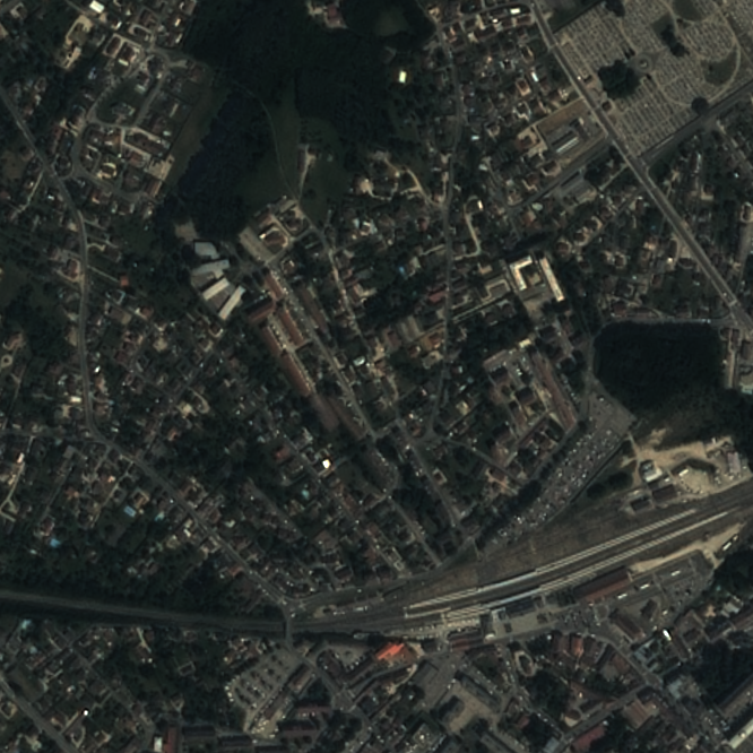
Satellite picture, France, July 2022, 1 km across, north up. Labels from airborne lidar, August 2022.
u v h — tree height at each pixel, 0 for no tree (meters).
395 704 8
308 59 16
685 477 0
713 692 15
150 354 6
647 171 0
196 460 29
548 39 0
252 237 0
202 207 22
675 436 0
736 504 0
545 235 14
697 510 0
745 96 0
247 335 7
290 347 0
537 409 10
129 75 0
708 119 0
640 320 0
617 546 0
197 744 0
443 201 0
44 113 12
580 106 0
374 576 0
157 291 6
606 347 13
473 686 0
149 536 6
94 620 0
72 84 10
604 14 0
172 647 10
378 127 22
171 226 18
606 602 0
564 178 0
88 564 8
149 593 7
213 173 30
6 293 0
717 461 0
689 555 0
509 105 0
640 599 0
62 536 15
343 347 6
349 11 14
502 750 0
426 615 0
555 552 0
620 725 10
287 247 0
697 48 0
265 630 0
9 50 7
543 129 0
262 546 6
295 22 7
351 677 0
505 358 0
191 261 23
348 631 0
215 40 12
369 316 15
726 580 10
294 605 0
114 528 8
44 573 8
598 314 6
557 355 0
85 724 12
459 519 0
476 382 7
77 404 0
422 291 7
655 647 8
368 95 25
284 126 0
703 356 10
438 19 0
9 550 8
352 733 14
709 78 0
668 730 6
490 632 0
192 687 18
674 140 0
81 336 0
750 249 0
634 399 8
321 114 18
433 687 0
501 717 0
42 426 0
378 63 16
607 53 0
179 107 0
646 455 0
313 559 14
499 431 0
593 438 0
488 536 16
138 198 0
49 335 8
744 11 0
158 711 7
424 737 0
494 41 0
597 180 11
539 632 0
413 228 6
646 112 0
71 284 0
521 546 0
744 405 18
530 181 0
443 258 0
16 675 0
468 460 12
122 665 10
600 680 9
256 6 17
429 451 0
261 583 0
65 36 7
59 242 6
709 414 0
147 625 0
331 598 0
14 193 6
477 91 7
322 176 0
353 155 7
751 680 0
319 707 0
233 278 0
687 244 0
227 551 0
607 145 0
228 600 7
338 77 23
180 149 0
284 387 6
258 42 18
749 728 0
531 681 6
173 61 0
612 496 0
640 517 0
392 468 0
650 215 9
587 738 0
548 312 15
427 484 0
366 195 7
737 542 0
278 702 0
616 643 0
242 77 13
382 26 0
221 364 5
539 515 0
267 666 0
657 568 0
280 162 0
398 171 0
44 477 0
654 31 0
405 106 6
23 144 0
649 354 14
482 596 0
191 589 20
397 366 0
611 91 19
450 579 0
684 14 0
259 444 5
